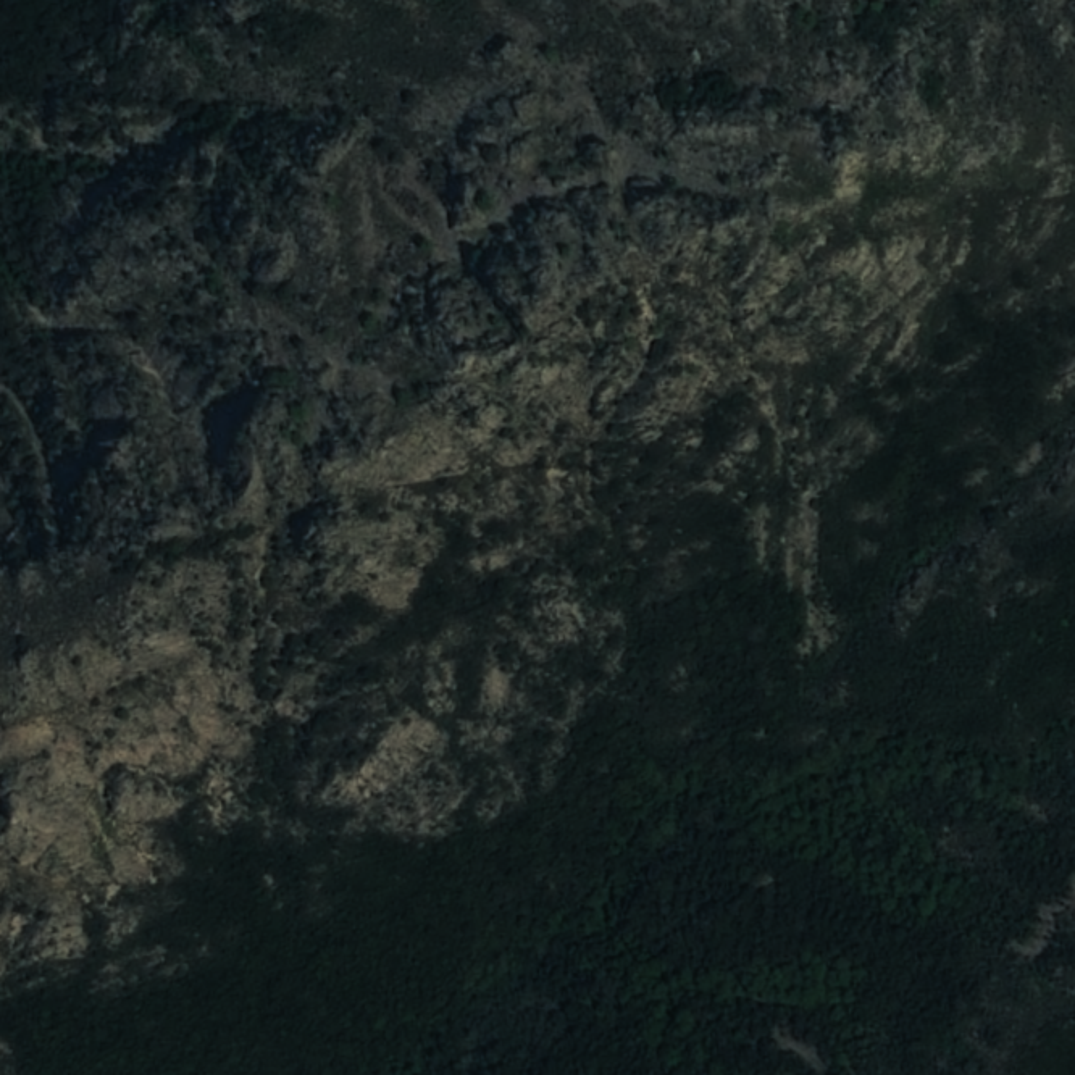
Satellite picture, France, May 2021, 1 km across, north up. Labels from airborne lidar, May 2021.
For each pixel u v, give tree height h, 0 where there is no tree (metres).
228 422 0
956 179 0
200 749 0
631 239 10
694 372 12
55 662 0
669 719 6
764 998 16
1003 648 8
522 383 9
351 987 13
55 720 0
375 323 11
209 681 0
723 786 8
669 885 21
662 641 6
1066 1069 6
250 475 0
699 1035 9
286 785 7
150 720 0
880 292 0
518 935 9
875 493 7
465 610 8
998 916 9
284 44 7
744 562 18
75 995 8
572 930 16
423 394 13
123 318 10
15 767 0
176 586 0
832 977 19
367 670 12
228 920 12
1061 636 10
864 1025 7
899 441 10
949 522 11
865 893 13
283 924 9
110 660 0
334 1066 12
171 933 6
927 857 11
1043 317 8
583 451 10
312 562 8
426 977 11
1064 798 8
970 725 9
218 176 10
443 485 7
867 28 14
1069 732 15
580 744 14
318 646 13
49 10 7
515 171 0
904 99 0
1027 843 8
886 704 6
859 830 10
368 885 7
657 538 6
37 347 13
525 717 7
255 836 7
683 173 0
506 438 14
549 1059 13
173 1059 13
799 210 0
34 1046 11
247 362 11
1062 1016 7
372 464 0
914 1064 7
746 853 10
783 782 20
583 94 0
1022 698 6
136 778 10
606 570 6
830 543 8
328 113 7
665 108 11
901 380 8
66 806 0
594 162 6
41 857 0
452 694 7
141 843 0
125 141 18
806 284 0
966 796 8
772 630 11
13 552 17
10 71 11
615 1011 10
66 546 26
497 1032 8
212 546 10
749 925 9
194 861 9
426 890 12
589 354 14
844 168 0
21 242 8
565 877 7
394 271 9
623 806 18
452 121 0
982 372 8
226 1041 6
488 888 15
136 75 6
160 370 0
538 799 13
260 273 0
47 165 6
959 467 9
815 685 6
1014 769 19
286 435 9
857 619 7
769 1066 10
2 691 0
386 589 0
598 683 14
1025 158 0
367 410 0
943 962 8
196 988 15
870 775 21
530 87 9
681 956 6
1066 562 6
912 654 9
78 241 15
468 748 10
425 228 0
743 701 15
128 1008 9
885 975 6
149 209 13
